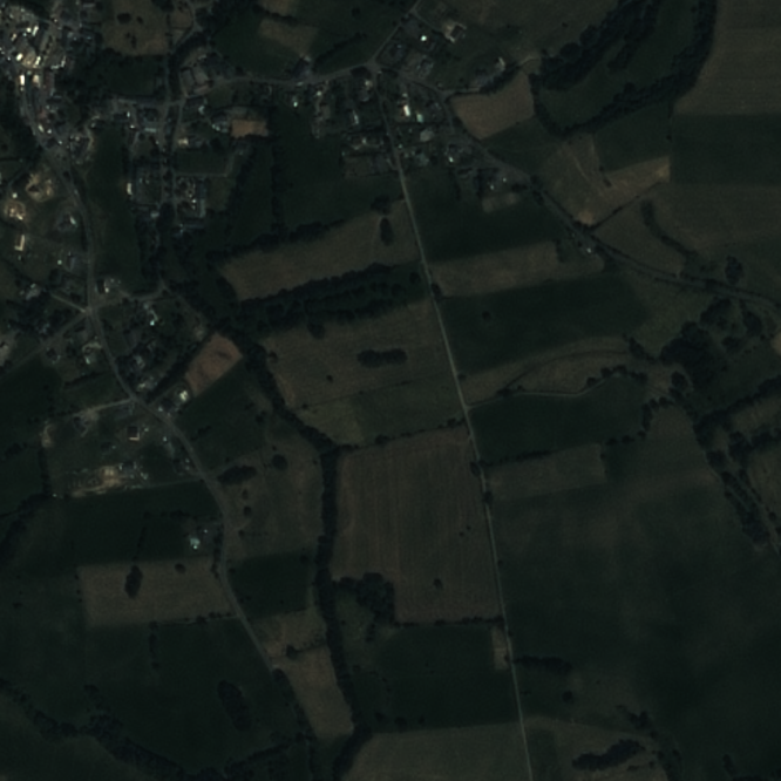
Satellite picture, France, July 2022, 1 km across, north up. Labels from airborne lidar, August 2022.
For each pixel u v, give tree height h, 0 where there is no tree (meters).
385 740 0
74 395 0
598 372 0
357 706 12
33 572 0
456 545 0
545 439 0
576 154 0
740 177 0
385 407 0
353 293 13
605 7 0
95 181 0
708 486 0
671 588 0
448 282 0
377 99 9
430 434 0
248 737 0
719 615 0
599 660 0
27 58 0
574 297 0
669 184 0
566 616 0
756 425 0
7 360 10
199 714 0
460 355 0
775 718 0
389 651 0
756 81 0
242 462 0
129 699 0
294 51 0
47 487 13
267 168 0
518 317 0
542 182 10
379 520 0
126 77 0
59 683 0
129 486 0
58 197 0
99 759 0
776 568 0
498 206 0
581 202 0
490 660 0
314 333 20
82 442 0
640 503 0
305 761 0
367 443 0
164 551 0
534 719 0
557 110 0
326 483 12
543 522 0
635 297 0
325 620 11
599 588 0
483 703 0
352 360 0
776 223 0
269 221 0
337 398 0
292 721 0
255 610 0
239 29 0
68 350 7
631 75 0
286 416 16
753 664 0
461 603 0
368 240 0
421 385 0
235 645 0
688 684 0
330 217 0
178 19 0
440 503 0
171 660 0
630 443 9
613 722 0
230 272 0
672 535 0
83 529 0
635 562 0
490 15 0
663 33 0
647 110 0
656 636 0
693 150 0
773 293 0
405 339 0
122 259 0
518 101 0
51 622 0
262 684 0
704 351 7
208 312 17
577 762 9
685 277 6
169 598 0
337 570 0
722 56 0
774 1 0
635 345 17
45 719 20
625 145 0
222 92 0
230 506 0
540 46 0
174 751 0
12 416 0
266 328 15
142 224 11
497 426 0
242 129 0
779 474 0
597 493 0
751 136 0
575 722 0
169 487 0
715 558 0
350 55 0
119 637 0
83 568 0
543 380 0
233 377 0
